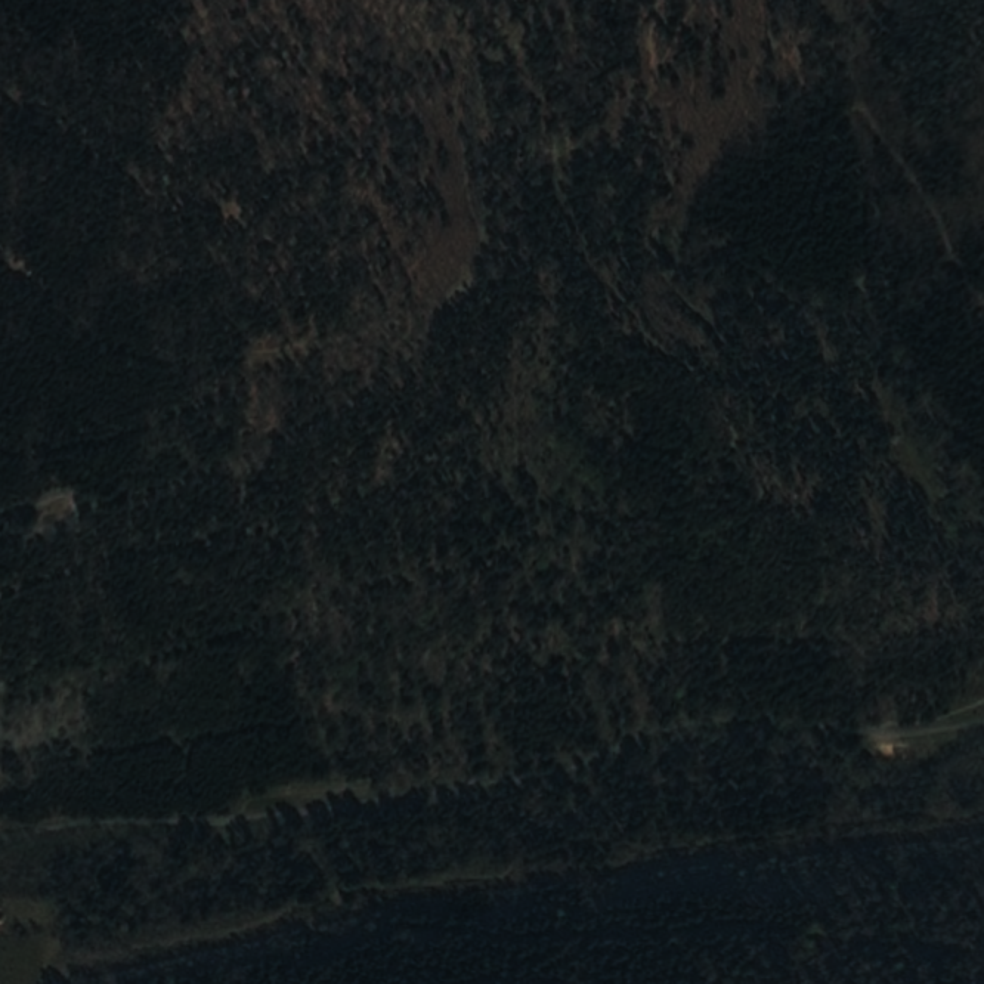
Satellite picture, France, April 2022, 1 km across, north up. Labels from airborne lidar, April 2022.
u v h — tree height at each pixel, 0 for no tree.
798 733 24
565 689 38
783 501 23
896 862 17
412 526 35
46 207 24
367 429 37
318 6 32
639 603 33
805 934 36
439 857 30
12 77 24
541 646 30
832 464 39
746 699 42
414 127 39
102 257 23
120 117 27
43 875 17
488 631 20
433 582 25
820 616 26
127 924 31
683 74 11
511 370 34
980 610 26
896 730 0
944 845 13
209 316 27
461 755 28
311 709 25
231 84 29
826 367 40
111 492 29
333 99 33
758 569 25
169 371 25
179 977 27
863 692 33
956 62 28
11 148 23
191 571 28
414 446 33
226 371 25
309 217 28
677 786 36
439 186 15
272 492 35
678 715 30
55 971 0
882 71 13
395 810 35
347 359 30
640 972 29
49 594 24
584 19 41
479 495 35
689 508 37
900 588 26
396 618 27
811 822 31
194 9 31
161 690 14
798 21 35
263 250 32
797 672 40
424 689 14
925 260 20
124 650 27
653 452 32
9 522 10
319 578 26
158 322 26
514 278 35
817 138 33
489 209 37
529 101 42
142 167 29
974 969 31
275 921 0
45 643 17
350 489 32
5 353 23
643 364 23
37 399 25
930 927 30
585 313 33
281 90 30
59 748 17
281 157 33
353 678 26
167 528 30
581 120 40
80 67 24
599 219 34
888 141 15
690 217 26
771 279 20
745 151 25
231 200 29
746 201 32
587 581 30
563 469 23
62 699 12
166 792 25
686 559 28
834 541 25
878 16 6
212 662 22
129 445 25
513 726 32
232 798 26
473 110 35
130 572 30
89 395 24
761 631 24
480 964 36
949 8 20
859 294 26
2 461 24
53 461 29
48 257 22
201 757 22
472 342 36
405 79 36
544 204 34
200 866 14
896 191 21
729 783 37
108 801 27
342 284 33
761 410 33
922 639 33
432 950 33
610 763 32
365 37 36
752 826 30
